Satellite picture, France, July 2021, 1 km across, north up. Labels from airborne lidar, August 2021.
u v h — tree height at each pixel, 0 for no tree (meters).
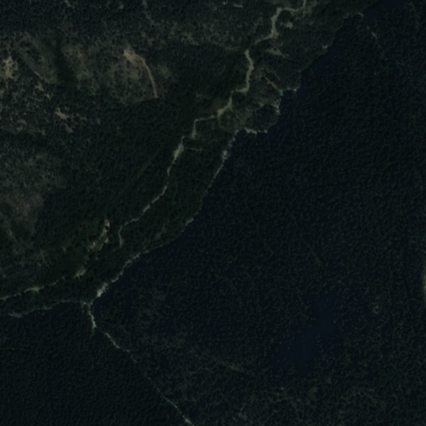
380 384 20
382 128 23
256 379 22
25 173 6
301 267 20
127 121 17
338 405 7
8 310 39
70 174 8
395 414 27
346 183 25
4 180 11
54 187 6
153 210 15
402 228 32
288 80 17
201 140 10
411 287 23
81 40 8
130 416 29
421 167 8
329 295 19
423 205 24
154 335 7
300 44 16
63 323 16
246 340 21
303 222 12
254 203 15
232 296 24
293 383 9
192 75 17
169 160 18
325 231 19
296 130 15
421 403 22
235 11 14
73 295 24
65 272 11
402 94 31
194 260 23
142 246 9
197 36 8
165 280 32
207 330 21
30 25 17
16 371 30
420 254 16
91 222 15
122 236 13
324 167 8
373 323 24
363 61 21
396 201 29
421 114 10
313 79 15
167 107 19
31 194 7
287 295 21
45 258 8
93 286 18
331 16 17
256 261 16
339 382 28
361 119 29
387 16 28
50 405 13
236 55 10
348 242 13
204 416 21
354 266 20
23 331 27
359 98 25
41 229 13
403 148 8
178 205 8
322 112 37
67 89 13
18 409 23
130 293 15
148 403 18
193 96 11
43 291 22
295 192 13
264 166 15
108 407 22
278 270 24
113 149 20
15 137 26
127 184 10
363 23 14
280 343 10
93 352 12
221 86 14
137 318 17
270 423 18
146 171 11
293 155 10
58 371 34
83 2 23
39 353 17
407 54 21
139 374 26
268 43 16
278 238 11
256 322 14
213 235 21
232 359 11
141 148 22
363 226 17
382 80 20
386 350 13
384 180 10
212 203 11
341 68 21
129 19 15
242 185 26
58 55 8
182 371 17
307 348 10
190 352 7
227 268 20
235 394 15
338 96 18
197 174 6
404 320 24
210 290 27
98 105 11
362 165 17
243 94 8
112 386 21
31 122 11
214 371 12
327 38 21
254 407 19
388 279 30
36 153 9
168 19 13
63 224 17
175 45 14
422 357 25
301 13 12
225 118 10
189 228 9
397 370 28
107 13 24
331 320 9
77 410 29
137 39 8
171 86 9
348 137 18
